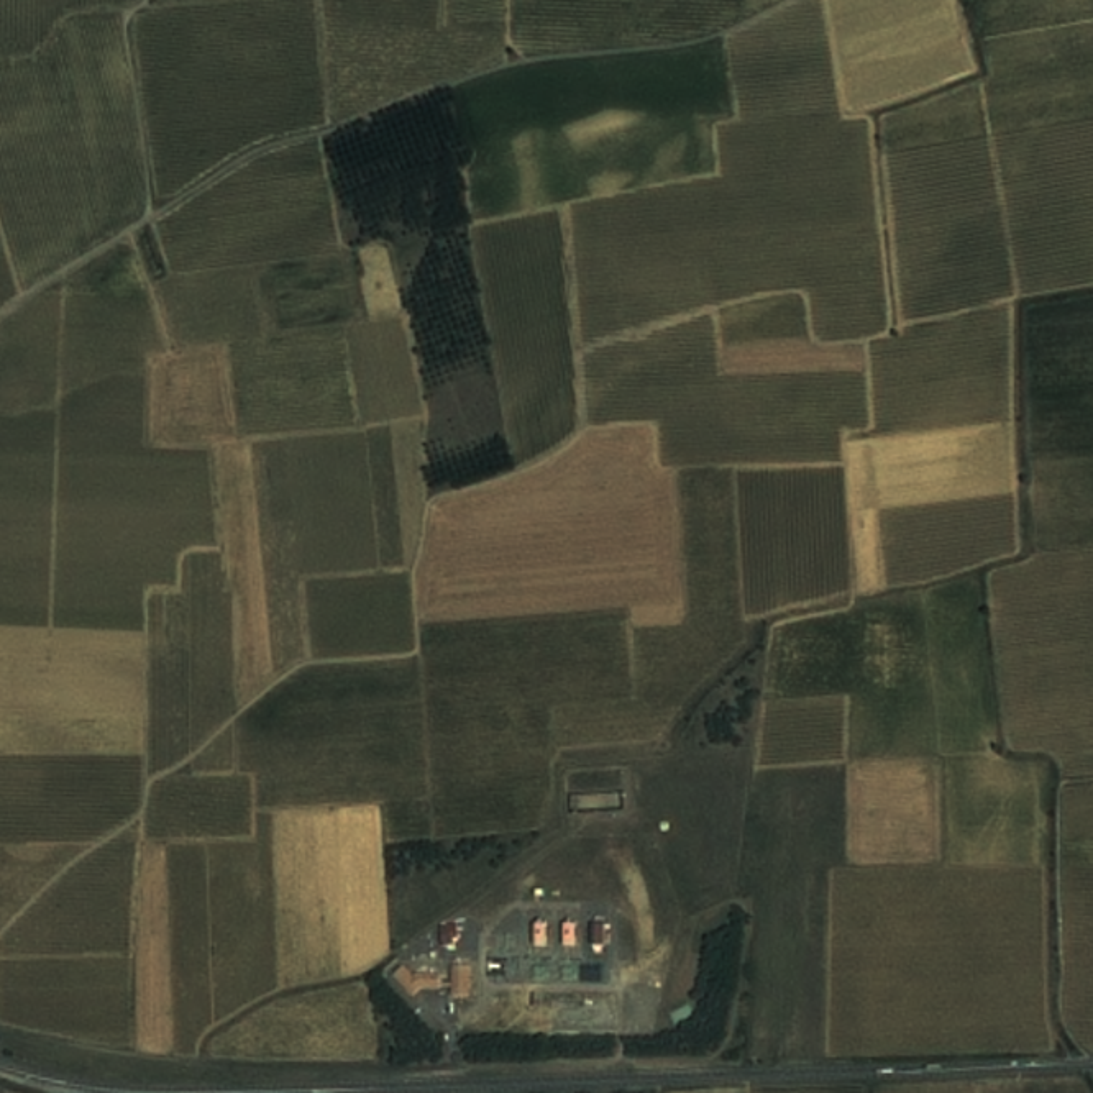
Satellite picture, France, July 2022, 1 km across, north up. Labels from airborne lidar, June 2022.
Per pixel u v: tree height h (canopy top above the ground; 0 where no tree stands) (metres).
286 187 0
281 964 0
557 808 0
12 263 0
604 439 0
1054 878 0
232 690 0
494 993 0
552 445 0
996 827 0
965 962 0
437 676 0
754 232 0
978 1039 0
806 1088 0
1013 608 0
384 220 16
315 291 0
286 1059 0
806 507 0
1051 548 0
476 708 0
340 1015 0
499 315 0
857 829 0
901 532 0
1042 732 0
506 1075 0
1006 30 0
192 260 0
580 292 0
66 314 0
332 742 0
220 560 0
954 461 0
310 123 0
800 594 0
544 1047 9
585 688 0
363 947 0
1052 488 0
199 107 0
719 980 13
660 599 0
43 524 0
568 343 0
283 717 0
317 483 0
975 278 0
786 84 0
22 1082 0
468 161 11
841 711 0
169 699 0
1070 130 0
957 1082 0
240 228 0
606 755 0
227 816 0
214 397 0
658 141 0
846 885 0
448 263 13
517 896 0
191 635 0
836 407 0
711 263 0
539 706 0
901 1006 0
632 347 0
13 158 0
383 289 0
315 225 0
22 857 0
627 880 0
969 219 0
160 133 0
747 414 0
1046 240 0
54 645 0
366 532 0
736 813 0
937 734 0
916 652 0
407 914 0
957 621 0
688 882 0
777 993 0
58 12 0
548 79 0
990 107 0
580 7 0
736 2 0
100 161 0
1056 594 0
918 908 0
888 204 0
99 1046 0
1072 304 0
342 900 0
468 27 0
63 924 0
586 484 0
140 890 0
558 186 0
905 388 0
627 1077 0
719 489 0
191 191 0
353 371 0
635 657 0
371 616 0
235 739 0
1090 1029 0
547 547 0
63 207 0
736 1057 8
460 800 0
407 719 0
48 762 0
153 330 0
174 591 0
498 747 0
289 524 0
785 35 0
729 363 0
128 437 0
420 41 0
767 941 0
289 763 0
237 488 0
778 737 0
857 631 0
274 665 0
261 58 0
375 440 0
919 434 0
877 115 0
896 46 0
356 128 13
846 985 0
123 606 0
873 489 0
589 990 0
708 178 0
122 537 0
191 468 0
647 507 0
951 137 0
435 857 9
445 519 0
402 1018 8
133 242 0
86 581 0
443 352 10
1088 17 0
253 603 0
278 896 0
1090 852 0
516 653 0
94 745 0
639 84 0
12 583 0
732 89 0
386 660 0
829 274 0
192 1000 0
